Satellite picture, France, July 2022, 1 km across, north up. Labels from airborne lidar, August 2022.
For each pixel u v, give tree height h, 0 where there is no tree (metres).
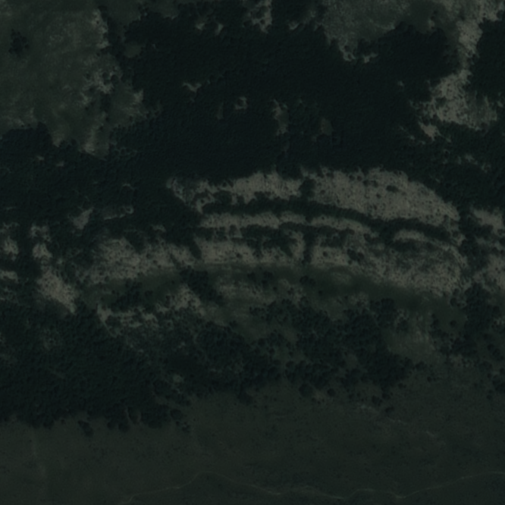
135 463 0
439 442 0
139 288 10
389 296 0
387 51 13
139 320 9
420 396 0
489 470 0
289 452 0
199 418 0
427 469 0
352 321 10
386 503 0
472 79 10
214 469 0
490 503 0
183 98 11
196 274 10
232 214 7
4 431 0
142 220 13
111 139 7
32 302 6
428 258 0
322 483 0
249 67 18
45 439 0
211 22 6
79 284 12
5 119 0
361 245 0
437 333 8
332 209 12
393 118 11
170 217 14
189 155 17
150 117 12
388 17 0
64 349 8
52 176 14
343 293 0
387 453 0
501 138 10
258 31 11
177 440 0
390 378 20
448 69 13
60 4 0
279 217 7
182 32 16
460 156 7
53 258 8
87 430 17
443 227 7
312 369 15
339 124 17
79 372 10
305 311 10
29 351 20
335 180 0
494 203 12
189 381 14
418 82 9
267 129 13
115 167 13
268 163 11
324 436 0
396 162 14
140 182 11
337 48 9
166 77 14
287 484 0
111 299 0
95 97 0
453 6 0
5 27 0
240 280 0
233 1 16
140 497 0
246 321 0
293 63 18
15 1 0
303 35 14
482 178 13
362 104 11
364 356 19
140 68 15
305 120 12
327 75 20
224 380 6
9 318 19
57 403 20
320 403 7
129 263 0
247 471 0
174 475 0
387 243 7
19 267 15
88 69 0
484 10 0
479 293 15
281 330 0
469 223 11
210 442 0
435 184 15
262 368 9
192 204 6
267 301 0
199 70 15
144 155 12
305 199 10
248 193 0
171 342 10
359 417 0
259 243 7
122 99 0
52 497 0
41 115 0
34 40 0
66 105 0
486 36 11
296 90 14
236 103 7
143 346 12
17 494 0
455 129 12
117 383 18
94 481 0
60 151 14
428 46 15
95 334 22
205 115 11
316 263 0
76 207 8
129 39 10
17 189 10
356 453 0
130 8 0
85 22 0
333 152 16
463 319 0
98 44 0
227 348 20
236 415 0
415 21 0
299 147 16
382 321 11
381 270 0
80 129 0
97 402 19
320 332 11
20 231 9
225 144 18
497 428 0
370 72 15
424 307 0
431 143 13
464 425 0
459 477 0
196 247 9
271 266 0
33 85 0
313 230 8
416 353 0
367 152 10
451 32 0
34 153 8
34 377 15
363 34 0
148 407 11
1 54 0
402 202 0
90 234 8
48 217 20
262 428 0
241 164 12
